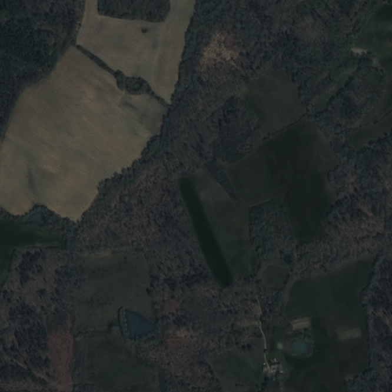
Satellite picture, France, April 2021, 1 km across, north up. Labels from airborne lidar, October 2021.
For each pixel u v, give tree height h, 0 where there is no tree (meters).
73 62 0
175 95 14
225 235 0
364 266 0
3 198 0
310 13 12
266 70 13
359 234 13
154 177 10
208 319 17
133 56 0
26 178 0
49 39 15
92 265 0
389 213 18
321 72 15
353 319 0
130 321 0
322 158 0
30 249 10
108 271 0
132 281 0
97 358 0
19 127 0
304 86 17
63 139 0
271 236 11
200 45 17
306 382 0
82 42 0
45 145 0
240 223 0
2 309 9
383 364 12
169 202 9
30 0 18
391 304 6
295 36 20
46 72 13
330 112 13
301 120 9
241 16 21
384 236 15
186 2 0
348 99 21
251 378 0
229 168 0
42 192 0
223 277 0
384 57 0
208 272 10
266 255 20
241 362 0
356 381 15
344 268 0
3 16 24
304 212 0
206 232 0
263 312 8
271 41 19
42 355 13
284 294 18
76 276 16
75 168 0
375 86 21
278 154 0
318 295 0
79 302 0
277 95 0
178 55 0
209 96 13
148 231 11
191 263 14
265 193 0
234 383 0
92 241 14
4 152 0
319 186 0
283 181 0
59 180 0
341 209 24
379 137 0
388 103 0
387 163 23
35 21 14
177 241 13
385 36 0
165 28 0
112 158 0
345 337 0
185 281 13
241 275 0
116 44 0
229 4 22
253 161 0
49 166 0
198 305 15
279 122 0
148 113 0
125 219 11
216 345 9
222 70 11
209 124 9
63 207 0
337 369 0
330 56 23
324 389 0
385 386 11
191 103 12
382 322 13
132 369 0
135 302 0
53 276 14
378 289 8
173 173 12
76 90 0
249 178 0
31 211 6
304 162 0
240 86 20
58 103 0
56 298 14
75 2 17
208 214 0
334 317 0
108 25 0
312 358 0
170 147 23
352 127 17
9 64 17
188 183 0
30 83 16
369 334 14
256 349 0
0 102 21
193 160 12
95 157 0
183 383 6
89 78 0
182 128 17
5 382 23
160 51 0
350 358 0
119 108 0
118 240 11
